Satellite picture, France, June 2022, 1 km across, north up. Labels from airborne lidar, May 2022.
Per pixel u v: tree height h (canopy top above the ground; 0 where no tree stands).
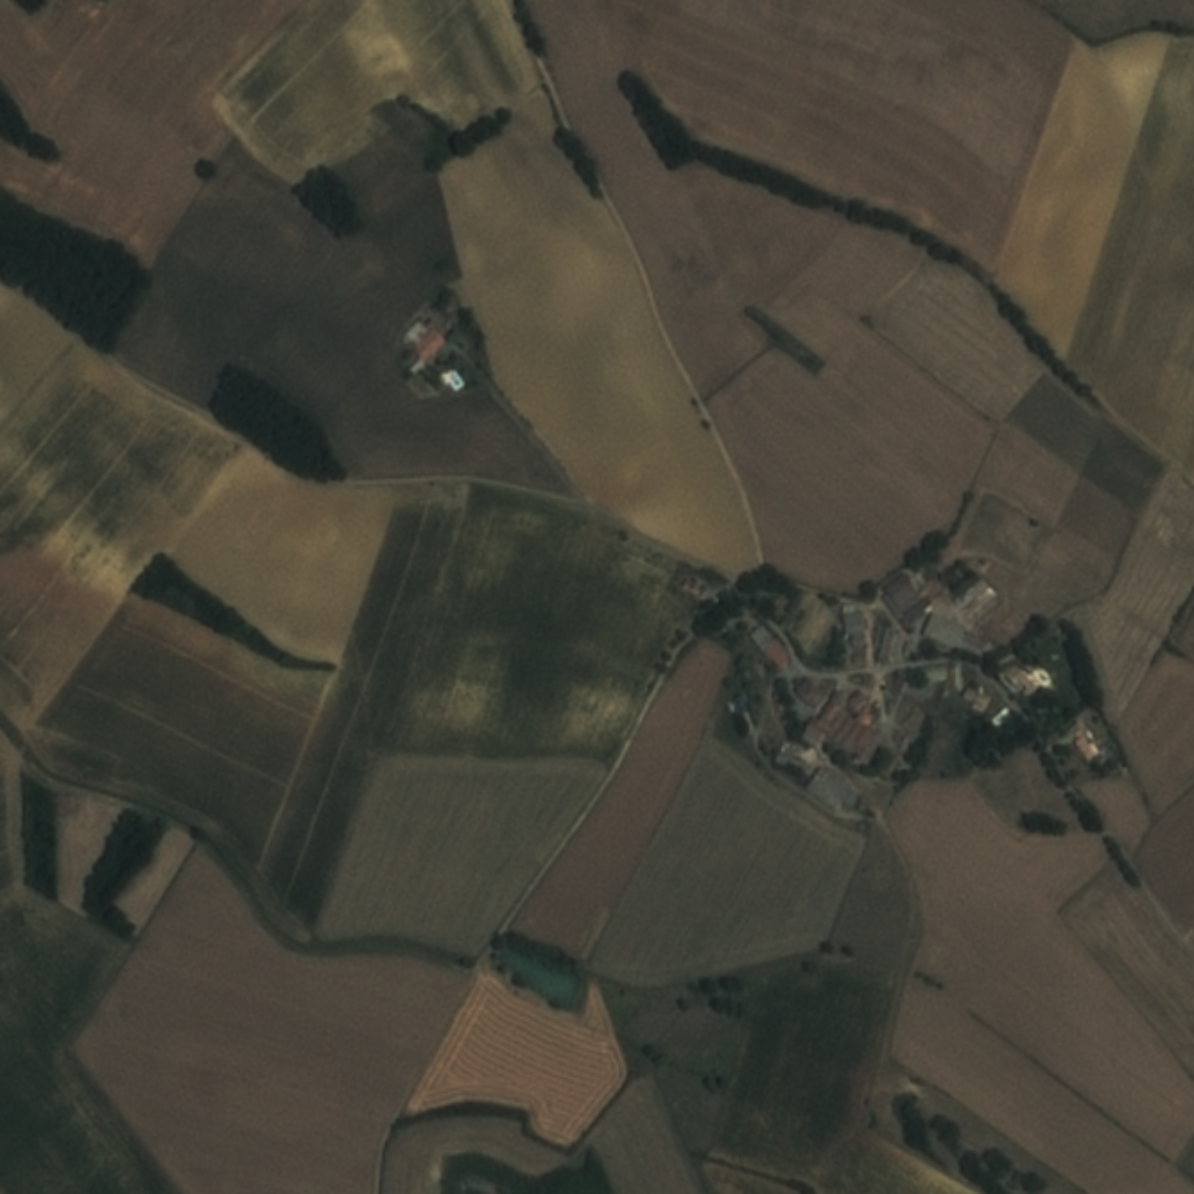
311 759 0
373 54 0
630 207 0
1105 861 0
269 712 0
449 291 7
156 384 0
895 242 0
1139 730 0
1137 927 0
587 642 0
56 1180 0
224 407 15
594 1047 0
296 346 0
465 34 0
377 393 0
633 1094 0
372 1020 0
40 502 0
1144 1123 0
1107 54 0
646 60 0
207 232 0
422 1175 0
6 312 0
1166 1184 0
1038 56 0
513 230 0
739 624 7
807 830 0
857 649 0
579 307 0
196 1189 0
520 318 0
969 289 0
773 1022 0
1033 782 0
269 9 0
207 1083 0
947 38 0
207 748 0
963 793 0
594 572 0
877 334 0
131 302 16
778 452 0
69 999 0
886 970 0
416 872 0
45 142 16
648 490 0
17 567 0
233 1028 0
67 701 0
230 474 0
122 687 0
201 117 0
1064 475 0
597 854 0
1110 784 0
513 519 0
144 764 0
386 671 0
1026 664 10
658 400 0
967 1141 0
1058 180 0
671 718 0
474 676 0
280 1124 0
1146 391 0
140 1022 0
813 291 0
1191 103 0
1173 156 0
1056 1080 0
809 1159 0
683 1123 0
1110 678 0
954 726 0
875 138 0
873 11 0
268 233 0
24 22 0
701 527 0
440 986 0
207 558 0
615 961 0
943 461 0
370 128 0
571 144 15
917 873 0
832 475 0
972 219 0
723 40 0
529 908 0
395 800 0
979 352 0
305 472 15
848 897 0
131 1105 0
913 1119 11
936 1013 0
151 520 0
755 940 0
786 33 0
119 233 0
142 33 0
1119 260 0
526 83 0
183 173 0
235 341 0
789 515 0
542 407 0
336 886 0
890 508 0
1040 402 0
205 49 0
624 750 0
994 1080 0
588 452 0
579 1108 0
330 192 17
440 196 0
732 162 17
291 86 0
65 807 0
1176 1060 0
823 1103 0
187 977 0
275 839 0
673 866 0
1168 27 8
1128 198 0
